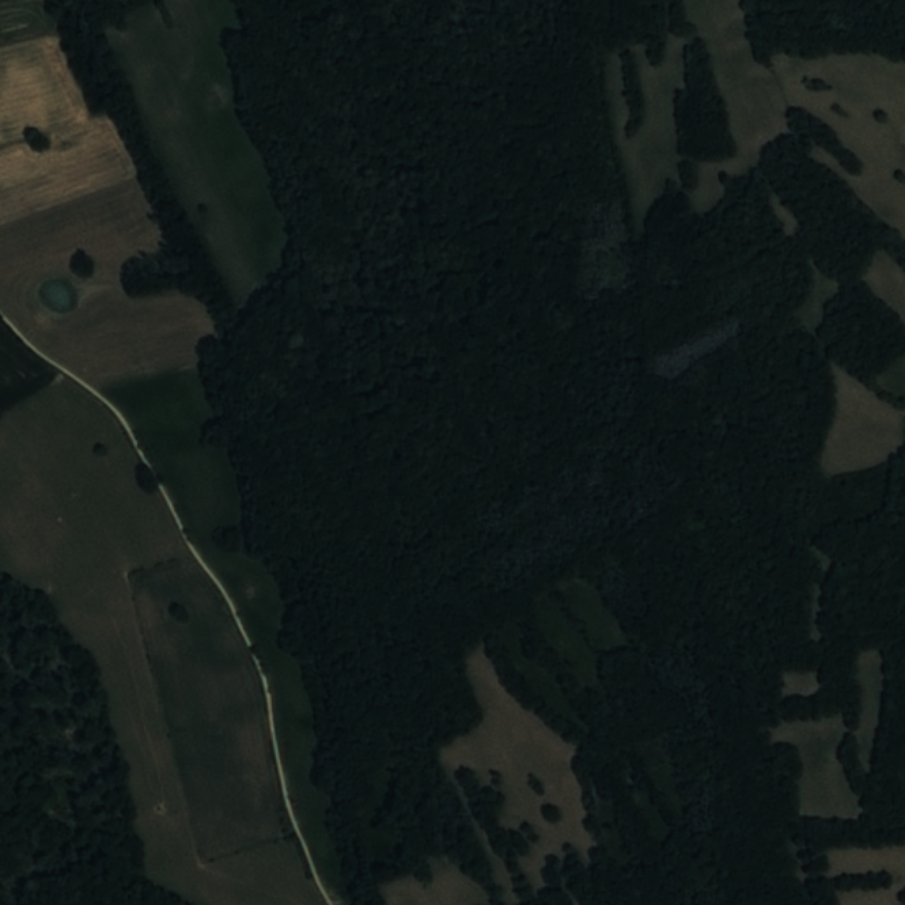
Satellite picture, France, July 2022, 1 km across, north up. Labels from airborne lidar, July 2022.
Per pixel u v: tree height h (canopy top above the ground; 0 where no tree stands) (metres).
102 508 0
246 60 28
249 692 0
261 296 19
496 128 22
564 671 17
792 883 20
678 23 12
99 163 0
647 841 14
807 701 18
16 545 0
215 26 0
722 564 12
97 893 24
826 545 15
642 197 0
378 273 24
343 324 26
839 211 18
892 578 15
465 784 21
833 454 0
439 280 21
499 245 22
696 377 23
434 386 20
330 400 26
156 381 0
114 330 0
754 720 19
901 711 21
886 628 19
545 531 17
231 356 21
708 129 10
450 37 18
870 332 19
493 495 15
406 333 24
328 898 0
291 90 22
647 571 21
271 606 0
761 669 15
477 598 19
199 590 0
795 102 0
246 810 0
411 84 22
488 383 24
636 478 16
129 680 0
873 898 0
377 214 24
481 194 21
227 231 0
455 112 23
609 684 18
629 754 14
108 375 0
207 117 0
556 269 21
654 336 15
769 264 11
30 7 0
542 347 22
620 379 18
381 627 21
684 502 19
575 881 18
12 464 0
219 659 0
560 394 22
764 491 15
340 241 27
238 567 0
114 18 18
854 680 15
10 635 8
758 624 14
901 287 0
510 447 21
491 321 23
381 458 20
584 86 22
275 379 24
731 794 17
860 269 18
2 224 0
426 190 25
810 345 16
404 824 20
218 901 0
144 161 18
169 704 0
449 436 24
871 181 0
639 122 9
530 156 22
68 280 0
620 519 13
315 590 22
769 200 9
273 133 22
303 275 23
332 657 17
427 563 19
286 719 0
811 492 9
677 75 0
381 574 25
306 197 24
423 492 24
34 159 0
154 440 0
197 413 0
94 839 23
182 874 0
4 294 0
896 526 16
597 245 17
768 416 13
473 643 24
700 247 17
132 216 0
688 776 15
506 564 21
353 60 21
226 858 0
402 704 21
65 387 0
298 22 21
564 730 17
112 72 17
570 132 22
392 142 24
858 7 11
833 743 0
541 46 20
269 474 24
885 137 0
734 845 20
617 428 11
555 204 21
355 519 23
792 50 15
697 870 16
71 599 0
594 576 20
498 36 15
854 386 0
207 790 0
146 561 0
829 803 0
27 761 23
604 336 20
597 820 12
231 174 0
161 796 0
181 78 0
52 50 0
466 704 24
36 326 0
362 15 25
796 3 11
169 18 6
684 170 9
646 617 22
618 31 19
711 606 19
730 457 16
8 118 0
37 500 0
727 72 0
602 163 15
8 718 28
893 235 20
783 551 19
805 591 15
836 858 0
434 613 23
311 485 20
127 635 0
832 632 17
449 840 20
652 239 16
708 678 15
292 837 10
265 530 25
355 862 12
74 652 30
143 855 18
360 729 24
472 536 18
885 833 21
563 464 14
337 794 20
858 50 13
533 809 0
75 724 33
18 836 26
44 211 0
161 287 22
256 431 22
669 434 20
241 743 0
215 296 19
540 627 16
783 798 22
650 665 15
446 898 0
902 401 9
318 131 23
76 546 0
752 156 0
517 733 0
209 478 0
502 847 21
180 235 24
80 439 0
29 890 23
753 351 15
